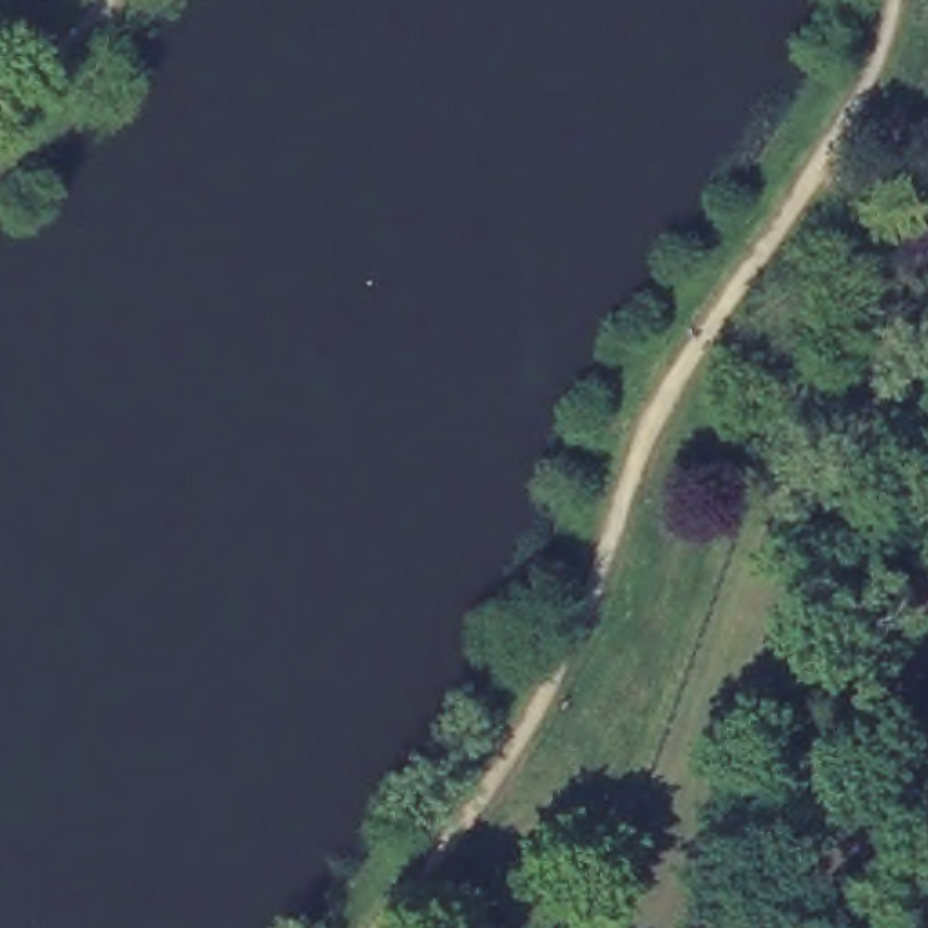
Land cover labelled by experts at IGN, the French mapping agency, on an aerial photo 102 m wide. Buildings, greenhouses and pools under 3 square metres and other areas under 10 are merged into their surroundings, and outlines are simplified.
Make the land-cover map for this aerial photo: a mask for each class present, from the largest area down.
<instances>
[{"label":"water","instance_id":"1","mask_svg":"<svg viewBox=\"0 0 928 928\"><path fill-rule=\"evenodd\" d=\"M816 0H189L178 18L145 22V29L134 40V62L149 83L134 120L120 131H65L58 141L40 149L47 156V167L65 185L58 214L36 236L0 239V928H315L330 910L334 892L363 870V823L370 805L392 772H402L413 758L428 750L431 725L442 718L446 696L457 692L464 674L475 667L464 653V627L479 605L508 595V566L515 558L518 540L529 529V518L537 515L529 493L533 475L537 464L547 457V446L558 439V402L587 381L591 366L598 363L595 344L602 323L642 294L653 276L649 257L660 236H678L707 250L718 239L714 225L703 214V192L711 185L721 156L743 141L758 109L765 102L794 98L805 80L801 69L790 62V40L812 22Z\"/></svg>","mask_w":928,"mask_h":928},{"label":"deciduous trees","instance_id":"2","mask_svg":"<svg viewBox=\"0 0 928 928\"><path fill-rule=\"evenodd\" d=\"M885 0H816L812 22L790 40V62L801 69L805 80L812 83L823 73L827 58L863 65L877 44ZM149 83L134 62L123 58L105 36H94L80 73H65L51 40H44L22 22L0 25V239L36 236L58 214L65 185L47 167V156L40 149L58 141L65 131H120L134 120ZM671 439L682 442L674 457L678 464L663 479L671 529L682 540L703 544L718 537H736V562H750L754 576H779L787 584L776 591L769 613L772 627L765 634V653L754 663H747L736 678L721 682V689L711 700L703 736L692 747L689 769L696 779H707L711 787V798L700 805V827L714 823L721 837H714L696 859L682 863L678 881L689 895L685 928H928V689L910 685L895 700L888 689L914 656V645L928 634V109L914 127L903 123L899 131H877L852 116L837 141V152L830 156L827 185L801 210L798 225L776 247L769 265H761L758 276L747 283L740 305L721 323V334L685 381L663 428ZM747 192L732 185H711L703 192V214L714 225ZM707 250L678 236H660L649 257L653 276L663 286H674ZM671 330L660 319V305L642 294L602 323L595 344L598 363L591 366L587 381L558 402V439L547 446V457L537 464L533 475L529 493L537 515L529 518V529L518 540L515 558L508 566V595L479 605L464 627V653L475 667H486L489 678L500 689H508L511 703L500 714L486 718V711L475 700L457 692L446 696L442 718L431 725L428 750L413 758L402 772H392L370 805L388 819L410 816L439 823L446 816H457L460 805L475 794L482 772L504 754L518 711L533 696V689L544 685L547 674L558 667L551 649L558 645V638L595 631L602 616L605 584L598 580L587 591L573 573L562 558H547L540 551L547 540L562 533L555 518L591 482H602L613 493L620 468L605 453H591L569 442L584 428L613 424L620 417L624 377L616 366L631 355L634 341H649L653 334ZM518 863L508 870V877L482 888L417 885L413 899H399L388 892L392 914L384 917V928H649V921L634 906L649 888L634 881L631 863L642 856V848L653 845V837L634 823H598L587 816V808L562 812L555 798L515 830Z\"/></svg>","mask_w":928,"mask_h":928},{"label":"herbaceous vegetation","instance_id":"3","mask_svg":"<svg viewBox=\"0 0 928 928\"><path fill-rule=\"evenodd\" d=\"M189 0H0V25L22 22L44 40H51L65 73H80L94 36H105L123 58L134 62V40L145 29V22L178 18ZM863 65L827 58L823 73L812 83L805 80L794 98L765 102L758 109L743 141L721 156L711 185H732L747 192L714 225L718 239L707 250L674 286H663L653 276L642 294L660 305V319L671 330L653 334L649 341H634L631 355L616 366L624 377L620 417L613 424L584 428L569 442L591 453H605L620 468L627 460L645 402L660 388L689 334L700 326L707 305L721 294L732 268L743 261V254L754 247L769 218L776 214V207L794 189L827 120H834L845 109L852 94H863V105L852 116L877 131H899L903 123L914 127L928 109V0H903L899 33L881 83L874 91H863ZM682 442L671 439L663 428L653 442L642 482L634 489L620 547L613 562L602 569L605 584L602 616L595 631L558 638V645L551 649L558 667L566 671V685L551 700L518 769L500 783L493 805L475 819V827L460 830L471 845L450 870H421L417 885L482 888L508 877V870L518 863L515 830L555 798L562 812L587 808V816L598 823H634L653 837V845L642 848V856L631 863L634 881L649 888L634 906L649 921V928H685L689 895L678 881L682 863L696 859L714 837H721L714 823L700 827V805L711 798V787L707 779H696L689 769L692 747L703 736L711 700L721 689V682L736 678L747 663H754L765 653V634L772 627L769 613L776 591L787 584L779 576H754L750 562H736V537H718L703 544L682 540L671 529L663 479L678 464L674 457ZM613 493L602 482H591L555 518L562 533L547 540L540 551L547 558H562L573 573L598 555V537ZM910 685L928 689V634L914 645V656L888 689L895 700ZM457 692L475 700L486 711V718L500 714L511 703L508 689H500L489 678L486 667H475L464 674ZM363 870L334 892L330 910L315 928H384V917L392 914L388 892L410 859L428 852L435 841H446L439 834V823L410 816L388 819L370 805L363 823Z\"/></svg>","mask_w":928,"mask_h":928},{"label":"pervious surface","instance_id":"4","mask_svg":"<svg viewBox=\"0 0 928 928\"><path fill-rule=\"evenodd\" d=\"M903 0H885L877 44L863 65V91H874L881 83L899 33ZM863 105V94H852L845 109L834 120H827L794 189L776 207V214L769 218L754 247L743 254V261L732 268L721 294L707 305L700 326L689 334L660 388L645 402L627 460L620 468L613 493L598 537V555L573 573L587 591L598 580L605 584L602 569L613 562L620 547L634 489L642 482L653 442L663 428L685 381L721 334V323L740 305L747 283L758 276L761 265H769L776 247L798 225L801 210L827 185L830 156L837 152V141L852 116ZM566 685V671L558 667L547 674L544 685L533 689V696L518 711L504 754L482 772L475 794L460 805L457 816H446L439 823V834L446 841H435L428 852L410 859L388 892L399 899H413L417 885L421 870H450L471 845L460 830L475 827V819L493 805L500 783L518 769L551 700Z\"/></svg>","mask_w":928,"mask_h":928}]
</instances>
